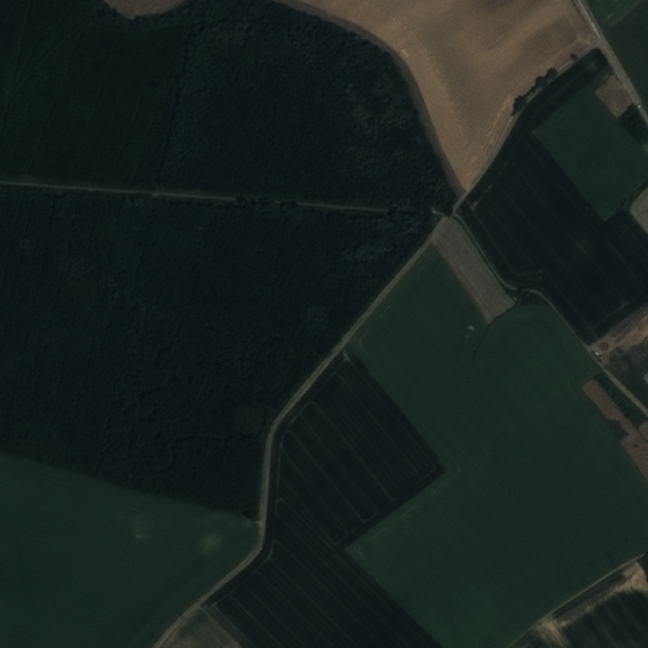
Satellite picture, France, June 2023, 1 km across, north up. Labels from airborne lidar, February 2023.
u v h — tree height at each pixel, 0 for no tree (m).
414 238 21
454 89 0
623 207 13
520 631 0
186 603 0
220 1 18
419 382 0
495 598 0
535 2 0
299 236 24
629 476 0
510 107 0
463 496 0
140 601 0
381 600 0
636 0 0
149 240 19
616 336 0
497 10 0
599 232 0
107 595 0
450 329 0
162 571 0
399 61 0
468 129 0
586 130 0
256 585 0
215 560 0
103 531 0
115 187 0
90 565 0
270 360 19
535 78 0
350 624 0
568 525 0
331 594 0
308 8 0
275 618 0
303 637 0
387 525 0
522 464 0
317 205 0
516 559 0
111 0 0
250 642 0
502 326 0
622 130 0
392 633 0
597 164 0
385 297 0
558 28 0
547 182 0
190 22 20
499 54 0
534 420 0
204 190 19
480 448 0
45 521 0
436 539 0
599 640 0
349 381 0
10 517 0
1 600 0
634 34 0
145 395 20
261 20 14
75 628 0
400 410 0
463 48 0
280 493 0
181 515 0
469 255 0
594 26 0
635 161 0
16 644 0
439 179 20
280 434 0
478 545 0
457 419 0
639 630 0
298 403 0
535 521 0
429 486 0
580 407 0
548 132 0
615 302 0
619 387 0
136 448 21
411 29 0
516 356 0
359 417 0
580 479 0
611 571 0
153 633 0
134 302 25
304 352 23
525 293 10
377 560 0
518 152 0
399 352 0
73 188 0
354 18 0
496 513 0
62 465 8
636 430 0
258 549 0
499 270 0
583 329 0
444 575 0
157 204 19
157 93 25
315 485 0
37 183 0
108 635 0
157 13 0
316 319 28
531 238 0
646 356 0
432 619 0
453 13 0
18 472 0
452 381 0
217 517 0
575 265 0
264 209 27
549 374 0
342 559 0
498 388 0
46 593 0
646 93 0
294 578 0
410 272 0
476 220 0
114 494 0
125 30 28
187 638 0
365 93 25
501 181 0
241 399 24
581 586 0
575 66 0
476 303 0
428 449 0
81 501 0
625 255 0
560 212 0
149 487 13
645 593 0
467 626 0
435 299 0
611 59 0
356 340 0
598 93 0
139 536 0
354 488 0
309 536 0
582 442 0
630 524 0
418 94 0
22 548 0
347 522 0
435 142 0
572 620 0
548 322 0
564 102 0
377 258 25
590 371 0
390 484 0
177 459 20
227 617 0
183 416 22
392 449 0
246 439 19
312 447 0
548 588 0
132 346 15
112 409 18
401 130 23
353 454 0
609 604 0
